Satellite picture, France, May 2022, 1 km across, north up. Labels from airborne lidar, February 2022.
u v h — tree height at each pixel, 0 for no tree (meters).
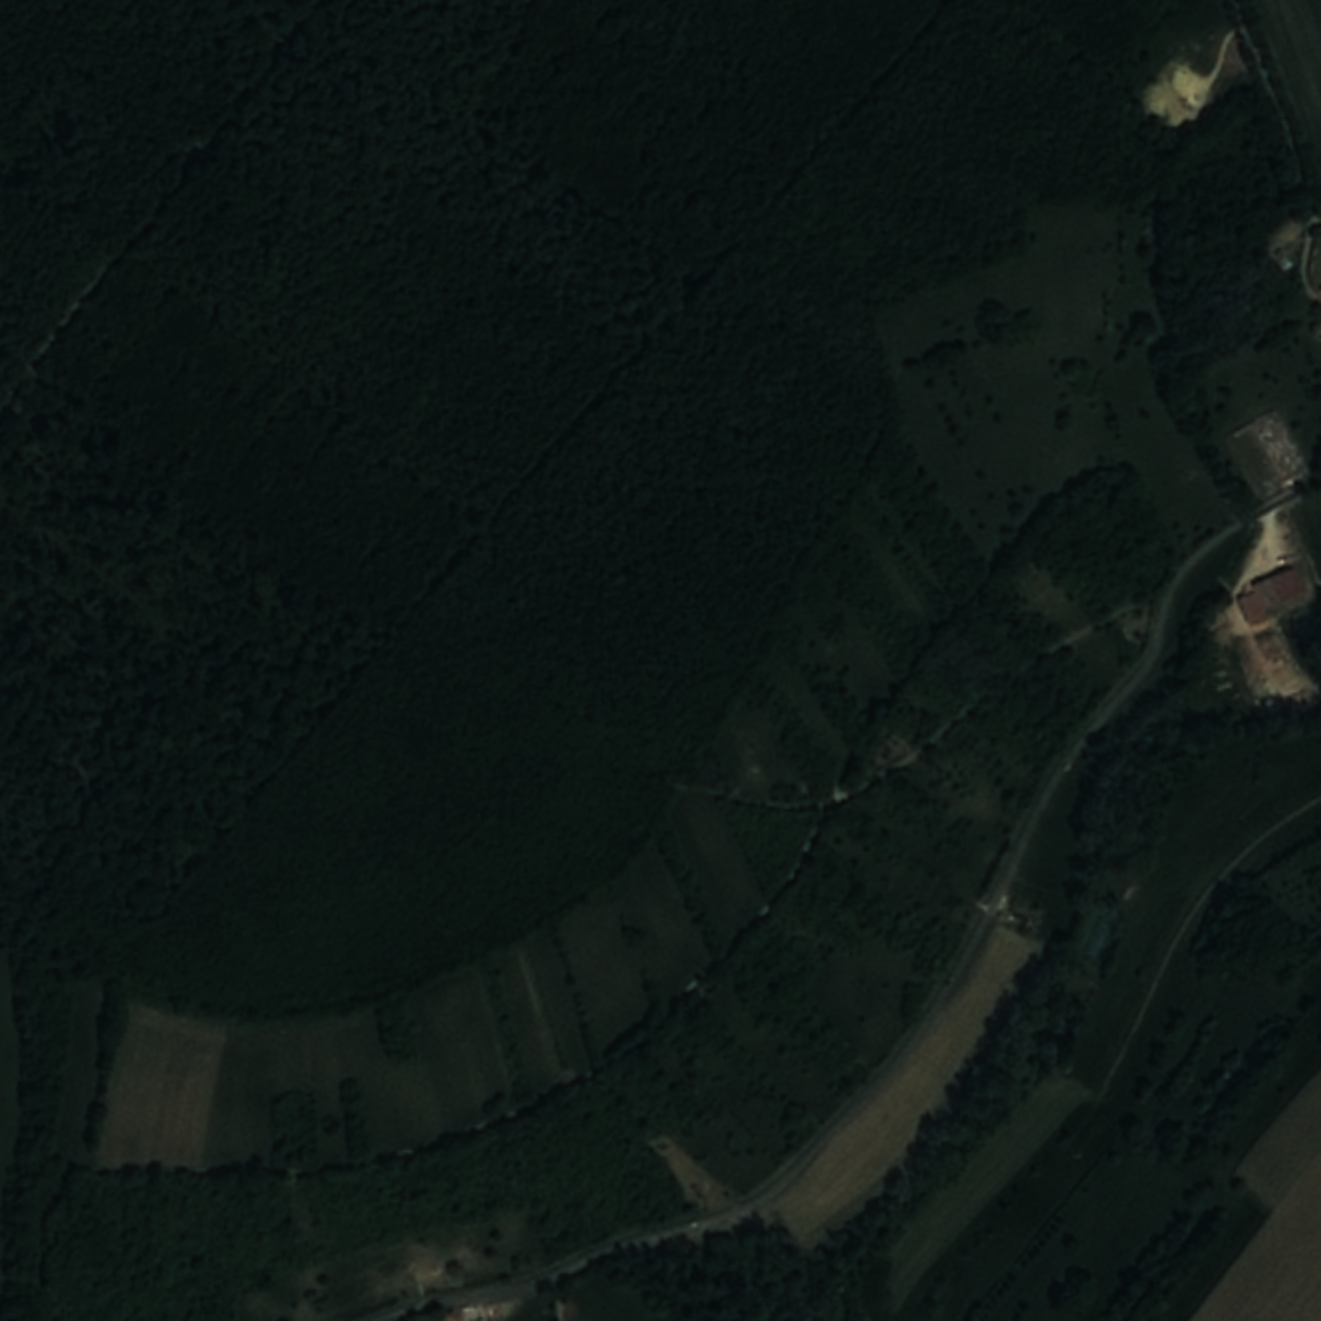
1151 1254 7
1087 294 0
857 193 16
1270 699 0
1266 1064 19
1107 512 16
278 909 11
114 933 19
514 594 16
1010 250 17
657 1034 14
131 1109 0
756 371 19
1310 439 0
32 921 18
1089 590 5
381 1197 6
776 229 20
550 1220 6
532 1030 0
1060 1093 0
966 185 20
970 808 0
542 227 28
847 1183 0
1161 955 0
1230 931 18
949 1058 0
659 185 18
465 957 11
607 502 16
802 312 20
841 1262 10
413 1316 10
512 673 13
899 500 16
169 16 21
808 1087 0
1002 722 7
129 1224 5
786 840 6
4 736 11
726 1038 11
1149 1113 0
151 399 8
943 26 21
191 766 21
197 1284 11
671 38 20
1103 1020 0
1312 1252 0
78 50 23
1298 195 17
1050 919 0
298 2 25
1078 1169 0
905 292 13
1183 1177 0
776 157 12
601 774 10
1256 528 0
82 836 18
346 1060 0
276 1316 0
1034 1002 19
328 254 22
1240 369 0
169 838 23
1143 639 8
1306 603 0
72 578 26
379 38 30
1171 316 20
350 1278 0
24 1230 17
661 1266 6
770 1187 0
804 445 19
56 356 7
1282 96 10
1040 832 0
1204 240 17
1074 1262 0
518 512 16
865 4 18
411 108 27
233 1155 0
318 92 28
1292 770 0
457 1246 0
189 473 7
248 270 23
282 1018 11
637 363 17
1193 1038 0
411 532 11
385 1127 0
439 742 12
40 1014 17
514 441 15
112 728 22
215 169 22
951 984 0
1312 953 11
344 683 12
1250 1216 0
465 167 27
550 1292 14
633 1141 8
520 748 13
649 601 16
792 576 14
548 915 10
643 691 14
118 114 26
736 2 18
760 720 0
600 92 15
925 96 23
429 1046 0
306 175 27
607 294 26
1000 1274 0
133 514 26
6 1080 0
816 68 20
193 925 13
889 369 12
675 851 9
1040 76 24
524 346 15
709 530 20
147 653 25
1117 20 11
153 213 21
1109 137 22
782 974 15
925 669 10
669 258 18
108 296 7
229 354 8
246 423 9
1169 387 21
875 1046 0
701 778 12
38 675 25
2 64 24
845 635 6
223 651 18
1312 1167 0
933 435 0
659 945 0
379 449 16
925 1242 0
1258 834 0
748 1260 8
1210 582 0
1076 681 7
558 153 11
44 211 21
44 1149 14
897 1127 0
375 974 10
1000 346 7
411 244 22
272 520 12
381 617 8
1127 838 27
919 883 0
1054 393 0
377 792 13
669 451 22
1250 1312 0
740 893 0
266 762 21
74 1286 7
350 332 21
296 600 24
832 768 9
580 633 16
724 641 17
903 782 16
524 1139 6
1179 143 15
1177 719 9
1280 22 0
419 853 12
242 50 20
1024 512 11
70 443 7
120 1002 15
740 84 15
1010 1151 0
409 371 16
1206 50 0
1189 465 0
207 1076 0
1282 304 9
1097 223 0
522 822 14
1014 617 7
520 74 15
